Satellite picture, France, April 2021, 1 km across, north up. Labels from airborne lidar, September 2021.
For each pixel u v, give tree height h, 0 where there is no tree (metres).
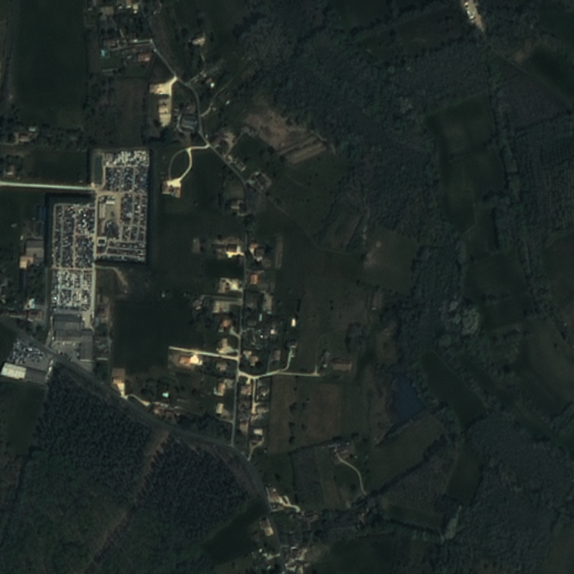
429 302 16
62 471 22
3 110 10
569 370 0
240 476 24
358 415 0
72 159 0
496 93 9
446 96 16
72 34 0
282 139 0
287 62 20
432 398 11
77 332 0
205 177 0
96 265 8
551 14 0
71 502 20
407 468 0
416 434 0
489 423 17
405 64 14
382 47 8
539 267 14
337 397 0
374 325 0
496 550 8
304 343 0
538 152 17
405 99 20
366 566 0
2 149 0
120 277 0
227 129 7
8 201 0
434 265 13
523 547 9
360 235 6
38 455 22
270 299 0
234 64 0
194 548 29
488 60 22
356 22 0
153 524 27
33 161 0
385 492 14
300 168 0
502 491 10
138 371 0
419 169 14
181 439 17
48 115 0
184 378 0
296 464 13
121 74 11
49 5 0
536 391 0
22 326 8
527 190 29
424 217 17
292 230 0
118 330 0
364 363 0
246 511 13
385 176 14
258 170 0
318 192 0
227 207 8
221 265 0
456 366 18
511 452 21
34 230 0
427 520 0
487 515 8
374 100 16
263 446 0
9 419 0
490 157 0
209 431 22
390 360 0
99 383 0
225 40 0
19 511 20
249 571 0
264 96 8
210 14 0
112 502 25
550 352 0
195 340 0
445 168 0
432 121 0
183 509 21
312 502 21
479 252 0
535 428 0
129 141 0
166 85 0
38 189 0
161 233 0
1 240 0
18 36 0
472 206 0
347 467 0
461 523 16
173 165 0
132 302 0
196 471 21
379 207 10
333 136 10
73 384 17
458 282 9
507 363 0
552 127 18
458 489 0
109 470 16
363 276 0
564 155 21
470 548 14
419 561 12
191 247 0
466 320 27
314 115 10
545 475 21
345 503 0
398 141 13
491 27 15
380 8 0
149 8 13
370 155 15
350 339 18
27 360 0
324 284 0
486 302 18
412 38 0
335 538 19
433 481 20
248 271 8
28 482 19
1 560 23
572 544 0
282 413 0
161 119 0
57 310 0
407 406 0
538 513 15
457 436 17
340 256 0
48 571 16
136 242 0
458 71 17
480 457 17
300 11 11
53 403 20
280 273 0
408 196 9
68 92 0
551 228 17
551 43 16
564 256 0
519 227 23
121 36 8
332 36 22
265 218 0
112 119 13
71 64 0
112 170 0
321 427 0
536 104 9
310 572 0
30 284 9
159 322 0
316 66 25
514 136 22
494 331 0
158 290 0
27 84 0
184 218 0
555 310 13
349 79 10
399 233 13
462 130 0
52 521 23
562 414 7
